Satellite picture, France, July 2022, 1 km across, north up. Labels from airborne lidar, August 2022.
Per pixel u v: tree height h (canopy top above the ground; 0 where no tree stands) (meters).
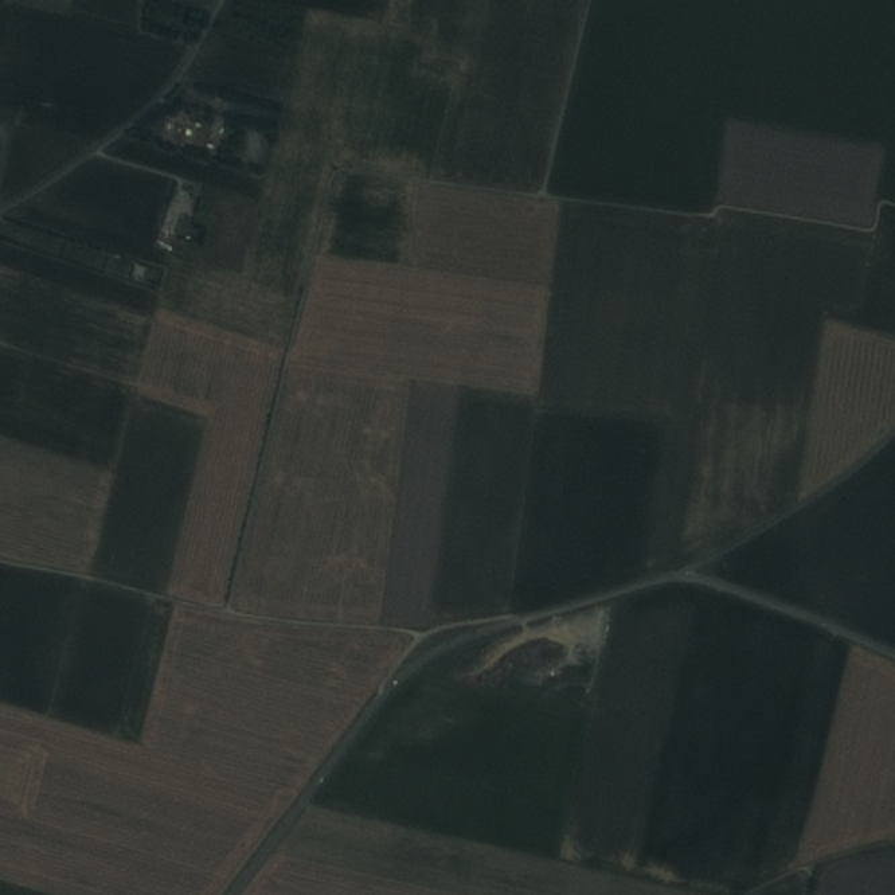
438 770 0
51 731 0
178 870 0
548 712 0
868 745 0
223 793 0
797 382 0
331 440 0
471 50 0
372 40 0
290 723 0
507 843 0
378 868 0
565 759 0
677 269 0
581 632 0
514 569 0
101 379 0
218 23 8
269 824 0
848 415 0
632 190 0
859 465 0
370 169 0
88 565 0
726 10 0
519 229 0
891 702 0
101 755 0
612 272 0
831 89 0
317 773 0
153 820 0
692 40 0
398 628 0
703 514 0
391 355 0
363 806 0
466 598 0
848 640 0
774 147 0
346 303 0
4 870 0
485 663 0
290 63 0
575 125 0
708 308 0
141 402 0
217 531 0
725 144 0
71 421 0
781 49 0
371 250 0
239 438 0
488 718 0
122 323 0
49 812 0
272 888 0
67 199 0
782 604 0
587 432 0
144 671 0
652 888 0
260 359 0
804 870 0
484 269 0
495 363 0
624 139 0
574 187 0
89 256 0
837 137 0
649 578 0
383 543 0
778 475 0
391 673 0
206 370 0
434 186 0
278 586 0
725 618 0
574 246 0
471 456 0
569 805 0
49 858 0
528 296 0
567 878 0
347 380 0
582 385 0
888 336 0
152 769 0
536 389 0
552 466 0
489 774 0
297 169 0
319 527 0
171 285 0
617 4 0
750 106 0
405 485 0
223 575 0
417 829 0
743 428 0
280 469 0
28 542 0
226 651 0
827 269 0
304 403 0
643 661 0
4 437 0
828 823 0
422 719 0
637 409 0
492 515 0
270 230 0
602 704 0
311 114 0
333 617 0
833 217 0
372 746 0
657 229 0
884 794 0
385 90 0
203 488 0
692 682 0
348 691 0
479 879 0
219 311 0
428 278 0
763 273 0
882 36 0
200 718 0
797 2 0
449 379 0
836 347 0
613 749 0
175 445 0
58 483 0
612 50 0
